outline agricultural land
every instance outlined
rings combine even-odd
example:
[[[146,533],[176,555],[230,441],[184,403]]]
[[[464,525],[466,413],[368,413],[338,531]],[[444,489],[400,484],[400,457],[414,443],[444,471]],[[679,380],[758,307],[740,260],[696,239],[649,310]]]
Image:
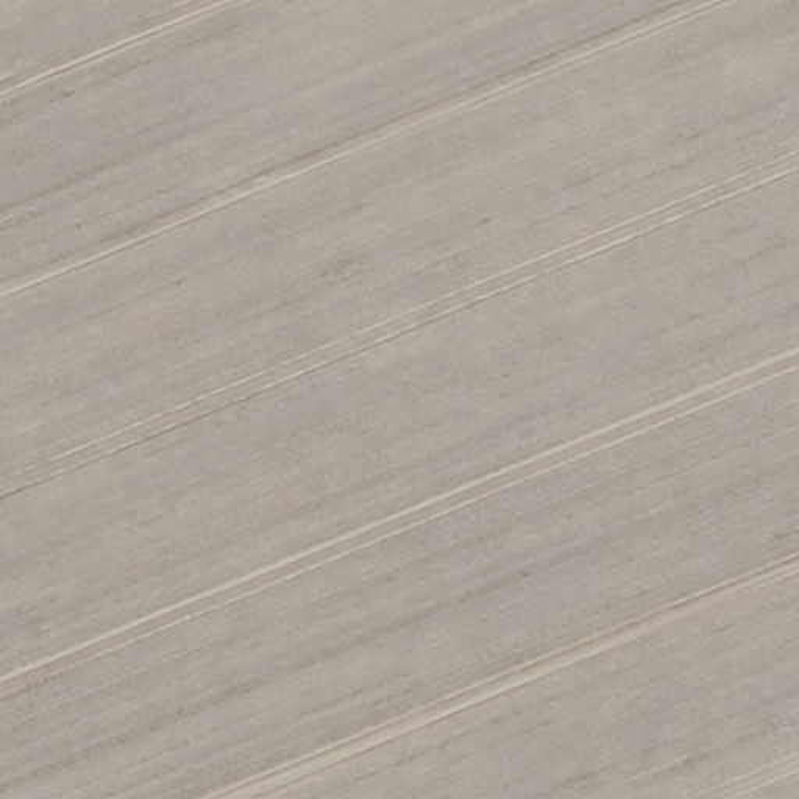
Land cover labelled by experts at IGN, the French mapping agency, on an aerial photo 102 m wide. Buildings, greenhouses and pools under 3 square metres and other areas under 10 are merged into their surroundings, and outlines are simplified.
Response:
[[[0,799],[799,799],[799,0],[0,0]]]

